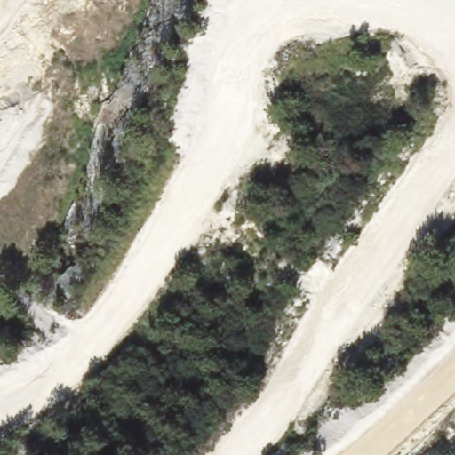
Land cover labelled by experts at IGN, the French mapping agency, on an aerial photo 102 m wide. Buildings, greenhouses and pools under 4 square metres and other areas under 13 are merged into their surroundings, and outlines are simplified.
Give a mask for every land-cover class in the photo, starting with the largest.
<instances>
[{"label":"pervious surface","instance_id":"1","mask_svg":"<svg viewBox=\"0 0 455 455\"><path fill-rule=\"evenodd\" d=\"M140 0H0V199L11 192L18 181V176L30 164V153L43 146L44 123L50 121V116L57 119L62 116V108L59 105L62 103V96H68L75 103L78 117L94 124L91 153L87 164V183L94 185V180L98 176L100 172L101 144L103 128L107 130L123 108L132 105L133 96L137 92H148L151 87L149 71L155 66L153 43L160 41V37L155 36V32H144L146 43L139 46L142 57L128 60L124 69V82H119L114 100L101 103L98 114H94L91 110L92 100L108 94L107 73L101 75L100 84L92 85L84 92L80 82L71 76V71L64 68V60L89 62L96 59L103 50L117 46L124 37L123 27H128L137 14ZM171 16L183 18L185 5L181 4L180 0H149L146 16L149 23L167 21ZM203 27L206 30L201 36L192 37L185 50L188 57L187 78L178 94V103L172 114L174 132L171 135V142L174 146L180 153V164L174 167L171 178L165 183L162 196L156 201L153 212L132 242L128 249L123 263L117 268L116 274L110 279L96 304L87 313L80 311L82 306L71 295L69 279H80L82 270L75 267L71 254L64 251L66 240L60 238V235H68L66 226L57 222H46V226L37 231L36 245L32 249L21 254L16 245H9L4 247L0 254V425L9 418H14L28 405L32 407V412L39 414L44 407H48L53 391L57 387L75 389L80 386L92 359H103L116 347L128 332L132 331L133 323L148 309L149 302L158 297V290L165 288V277L171 272L178 254L183 249H190L194 245L201 256L208 251V245H213L217 240L222 243L238 242L242 245L243 251L252 258L259 254L258 240L263 238V229L251 220L243 222L242 226L233 224L236 201L238 197L247 194L249 180V172L254 165L277 162L291 164L295 156L288 151V142L291 140L290 135H286L277 124L270 123L267 108L270 103L268 96L281 84L279 78H274L272 71L277 64L275 52L291 39H311V46L315 48L316 44L325 43L329 39L350 36L352 30H357L363 23L368 25L371 36L377 30L391 32L395 41L391 43V50L387 52V62L393 71L389 80L395 87L396 98L403 101L407 100V87L416 76L435 75L437 87L432 105L437 114L432 137L425 140L423 148L416 155H412L411 151L405 148L400 155V160L409 165L405 167L402 176L387 190L386 196L379 204V210L373 213L370 222L363 219V213L355 210L354 219L347 220L345 229L357 238V243L348 247L345 256L339 259L338 267L334 270L316 261L313 267L300 275L297 281L300 290L306 291L309 306L300 318L290 341L286 343L283 354L277 357L267 370L265 386L261 389L258 400L252 402L249 407H242L236 411L231 430L222 435L215 450L206 455H263V450L268 444L277 443L286 434V430L304 434L306 419L311 416L325 398L327 389L331 386L332 368L338 361L339 348L347 347L354 343L355 339L361 338L364 332L373 329L382 322L386 313L387 306L393 304L395 295L396 291L402 290L403 279V272L407 268V251L419 256L425 249L435 245V236L446 233V227L455 215V0H206V9L201 12ZM66 219H73V224H80L84 220V210L73 203L68 208ZM437 430L446 432L448 439L455 437V322H444L441 334L432 339V343L423 348L421 354H416L411 359L403 375L386 382L384 395L380 396L377 402L364 403L355 409H343L339 419H327L320 423L318 437L325 439V450L322 451V455H416L419 450H423L434 441Z\"/></svg>","mask_w":455,"mask_h":455},{"label":"coniferous trees","instance_id":"2","mask_svg":"<svg viewBox=\"0 0 455 455\"><path fill-rule=\"evenodd\" d=\"M414 274L425 275L428 284L434 290L427 300L412 302H403L395 295L393 304L387 306L386 313L389 316H403L409 325L414 327H425L428 338L432 339L441 334L444 322H455V236L450 238L443 251L435 249V245L425 249L419 256L407 251V268L403 272V279ZM261 291L254 283L252 258L243 251L242 245L238 242L222 243L217 240L213 245H208V251L201 256L194 245L190 249H183L178 254L171 272L165 277V288L158 290V297L149 302L148 309L133 323L132 331L128 332L116 347L103 359H92L80 386L75 389L57 387L53 391L48 407H44L39 414L32 412V407L28 405L14 418H9L0 425V455H206L215 450L222 435L231 430L236 411L242 407H249L252 402L258 400L261 389L265 386L267 370L265 357L270 348V341L275 338V322L281 318L275 313H268L265 309L267 302L259 297ZM411 359L403 352L387 354L382 334L373 329L364 332L361 338L355 339L354 343L347 347L339 348L338 361L332 368L331 386L327 389L325 398L331 402L332 407L343 409H355L364 403L377 402L380 396L384 395L386 382L403 375Z\"/></svg>","mask_w":455,"mask_h":455},{"label":"brushwood","instance_id":"3","mask_svg":"<svg viewBox=\"0 0 455 455\"><path fill-rule=\"evenodd\" d=\"M181 4L185 5L183 18L171 16L167 21L149 23L146 16L140 21L133 44L124 57L128 60L142 57L139 46L146 43L144 32H155V36L160 37V41L153 43L155 66L149 71L151 87L148 92H137L133 96L132 105L123 108L107 130L103 128L101 144L105 140L112 142L116 162L123 165L128 180L123 187H114L100 172L98 176L103 181L105 190L103 203L98 204L96 212L89 215V233H76V243L89 242V249L84 252L82 258L76 254V247L71 249V254L75 267L82 270L80 279H69L71 295L82 306L85 288L91 283L92 275L98 272L101 261L108 259L112 245H124L128 249L132 242L121 233L124 227H130L128 213L137 210V204L146 196L142 192V187H149L153 183V176L162 171L165 155L174 146L171 142V135L174 132L172 114L178 103V94L187 78L188 57L185 50L192 37L201 36L206 30L203 27L201 12L206 9V0H180ZM299 82L306 89L309 103L295 98L281 100V108L286 112L283 123H291L290 135L291 140L297 146L306 148H316L318 135H322L325 140H332L336 144V149L332 153L336 164L329 178L318 181L313 176L300 174L293 178V185L284 187L283 190L268 188L249 180L247 194L238 197L236 201L233 224L242 226L243 222L251 220L263 229V238L258 240L259 254L252 258L254 283L261 291L259 297L267 302L265 309L268 313H275L281 318L286 313V306L299 297L300 290L297 281L300 275L313 267L316 261L323 256L325 243L331 238L341 240L343 245L348 247L357 243V238L345 229L347 220L354 219L355 210L361 199L379 185L377 176L380 172L387 171L393 165L396 156L400 155L405 148L411 142L414 119H419L432 105L437 87L435 75L416 76L407 87V100L403 101L398 107H393L391 103L382 105L380 101H371V96L375 94V85L379 84L373 75L355 76L345 69L339 75L311 73L300 76ZM320 423L311 416L306 419L304 434L286 430V434L277 443L268 444L263 450V455H322V451L325 450V439L318 437ZM416 455H455V437L448 439L446 432L437 430L434 441L423 450H419Z\"/></svg>","mask_w":455,"mask_h":455},{"label":"herbaceous vegetation","instance_id":"4","mask_svg":"<svg viewBox=\"0 0 455 455\"><path fill-rule=\"evenodd\" d=\"M149 0H140L137 14L128 27H123L124 37L117 46L103 50L96 59L89 62L64 60V68L71 71V76L80 82L84 92L92 85L100 84L101 75L107 73L108 94L92 100L91 110L94 114H98L101 103L114 100L119 82H124V69L128 60L124 57L133 44L140 21L146 16ZM395 41L391 32L377 30L371 36L368 25L363 23L357 30H352L350 36L329 39L325 43L316 44L315 48L311 46V39H291L275 52L277 64L272 71L274 78H279L281 84L268 96L270 103L267 108L270 123L277 124L286 135H290L291 123H283L286 112L281 108V100L295 98L309 103L306 89L299 82L300 76L311 73L339 75L345 69L355 76L373 75L379 84L375 85V94L371 96V101H380L382 105L391 103L393 107H398L403 101L396 98L395 87L389 80L393 71L387 62V52L391 50V43ZM62 108V116L57 119L50 116V121L44 123L43 146L30 153V164L18 176V181L11 192L0 199V254L4 247L9 245H16L21 254L32 249L36 245L37 231L46 226V222H57L66 226L68 235H60V238L66 240L64 251L71 254V249L76 247V254L82 258L84 252L89 249V242L76 243V233H89V215L96 212L98 204L103 203L105 190L103 181L98 176L94 180V185L87 183V164L91 153L94 124L78 117L75 103L68 96H62V103L59 105ZM73 203L84 210V220L80 224H73V219H66L68 208ZM437 114L432 105L419 119H414L411 142L405 148L411 151L412 155H416L423 148L425 140L432 137ZM336 149V144L332 140H325L322 135H318L316 148H306L297 146L291 140L288 142V151L295 156L291 164L277 162L254 165L249 172V180L268 188L283 190L284 187L293 185V178L300 174L313 176L318 181L329 178L336 164L332 153ZM114 187H123L128 180L123 165L116 162L112 142L105 140L101 144L100 172ZM180 164V153L174 146L165 155L162 171L153 176V183L149 187H142V192L146 196L137 204V210L128 213L130 227H124L121 233L132 242L153 212L156 201L162 196L165 183L171 178L174 167ZM409 165L400 160V155L396 156L393 165L387 171L380 172L377 176L379 185L361 199L355 210L363 213V219L370 222L373 213L379 210V204L386 196L387 190L402 176L405 167ZM455 236V215L446 227V233L435 236V249L443 251L450 238ZM348 247L343 245L341 240L331 238L325 243L323 256L316 261L334 270L338 267L339 259L345 256ZM128 249L124 245H112L108 259L101 261L98 272L92 275L91 283L85 288L82 306L80 311L87 313L96 304L110 279L116 274L117 268L123 263ZM309 306L306 291L300 290L299 297L286 306V313L281 318L275 322V338L270 341V348L265 357L267 370L277 357L283 354L286 343L290 341L300 318ZM343 409L332 407L331 402L325 398L311 416L320 423L327 419H339Z\"/></svg>","mask_w":455,"mask_h":455},{"label":"deciduous trees","instance_id":"5","mask_svg":"<svg viewBox=\"0 0 455 455\"><path fill-rule=\"evenodd\" d=\"M434 290L428 284L425 275L414 274L403 279L402 290L396 291L395 295L403 302H412L427 300ZM373 329L382 334L387 354L403 352L411 359L416 354H421L423 348L432 343V339L428 338L425 327H414L409 325L403 316H389L386 313L382 322Z\"/></svg>","mask_w":455,"mask_h":455}]
</instances>
